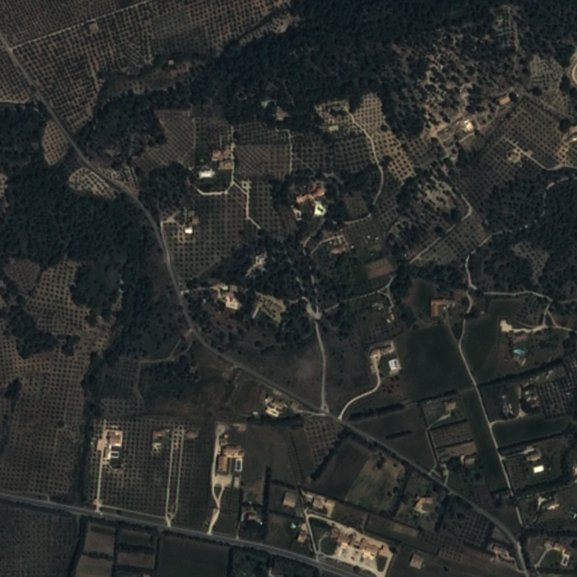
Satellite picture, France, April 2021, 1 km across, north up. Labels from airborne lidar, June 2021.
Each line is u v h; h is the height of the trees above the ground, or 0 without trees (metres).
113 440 0
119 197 13
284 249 14
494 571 0
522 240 10
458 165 10
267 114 13
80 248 11
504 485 0
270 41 12
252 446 0
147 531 14
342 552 0
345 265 13
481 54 14
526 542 13
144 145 13
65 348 11
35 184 15
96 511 0
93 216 6
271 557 11
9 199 12
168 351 0
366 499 0
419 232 13
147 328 8
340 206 10
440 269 10
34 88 7
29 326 8
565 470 10
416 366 0
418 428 0
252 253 7
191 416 0
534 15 10
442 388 0
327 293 8
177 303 0
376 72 13
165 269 0
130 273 11
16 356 0
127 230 13
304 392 0
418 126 12
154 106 12
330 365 0
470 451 0
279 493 0
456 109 16
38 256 7
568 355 6
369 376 0
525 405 13
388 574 0
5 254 8
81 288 7
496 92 0
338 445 11
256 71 9
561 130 8
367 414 9
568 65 12
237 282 8
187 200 0
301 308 11
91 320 9
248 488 0
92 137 12
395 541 6
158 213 12
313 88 12
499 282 9
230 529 0
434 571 0
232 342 10
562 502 0
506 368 0
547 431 0
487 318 0
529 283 8
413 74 7
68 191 15
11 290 9
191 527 0
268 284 8
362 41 13
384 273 0
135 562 0
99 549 0
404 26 10
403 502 13
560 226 8
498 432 0
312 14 16
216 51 12
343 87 11
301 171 7
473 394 0
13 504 7
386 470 0
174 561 0
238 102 11
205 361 0
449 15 0
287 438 0
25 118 11
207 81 11
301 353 0
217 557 0
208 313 7
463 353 0
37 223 6
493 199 9
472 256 9
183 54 8
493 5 12
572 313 15
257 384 0
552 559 0
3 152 12
